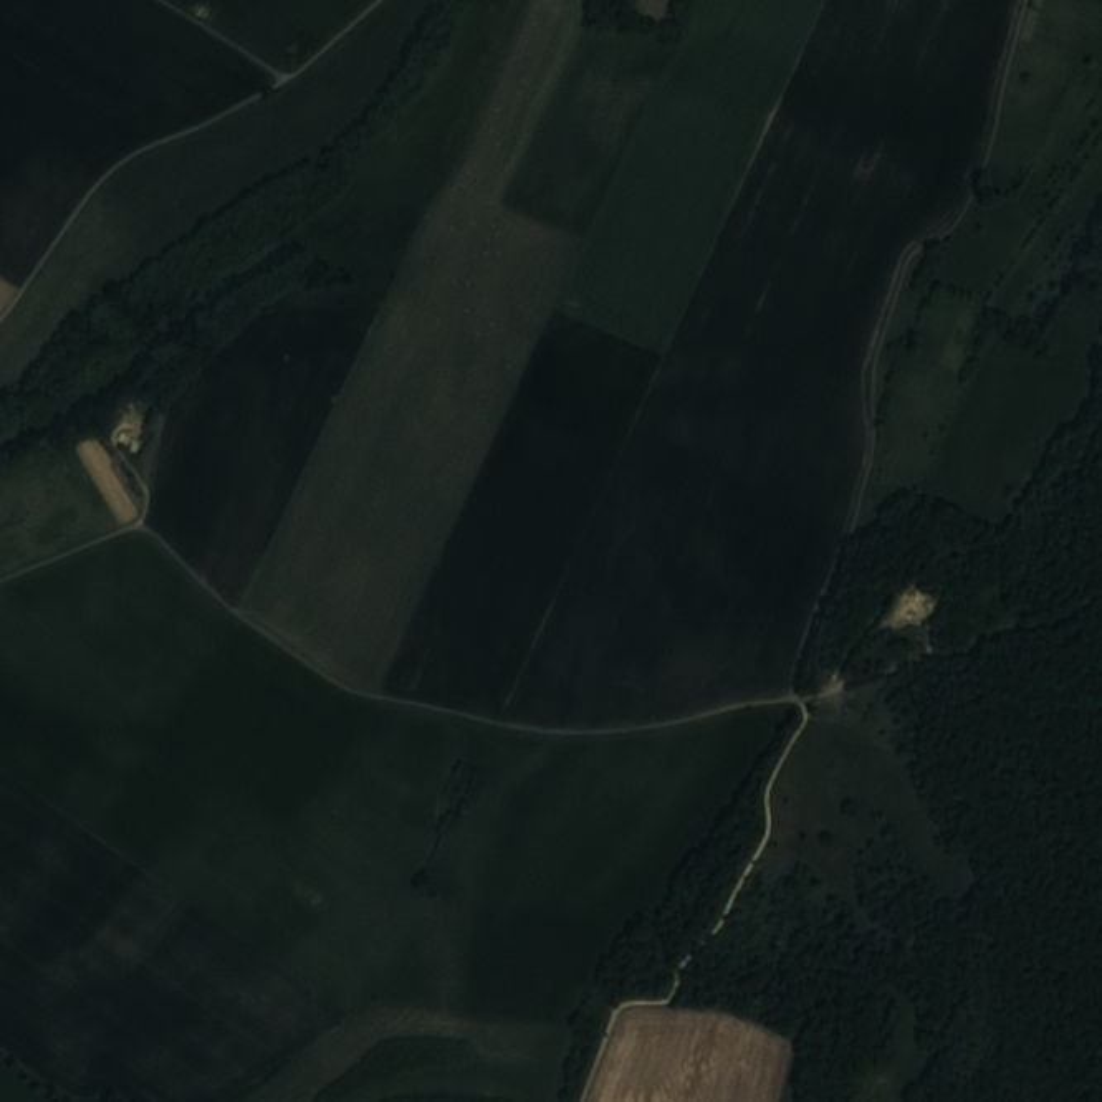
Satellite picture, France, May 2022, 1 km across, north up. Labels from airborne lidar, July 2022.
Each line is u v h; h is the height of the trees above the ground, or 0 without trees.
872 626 8
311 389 0
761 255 0
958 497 0
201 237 18
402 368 0
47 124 0
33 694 0
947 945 19
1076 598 14
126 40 0
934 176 0
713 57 0
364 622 0
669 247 0
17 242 0
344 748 0
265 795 0
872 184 0
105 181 0
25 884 0
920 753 14
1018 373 0
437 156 0
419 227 0
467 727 0
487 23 0
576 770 0
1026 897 19
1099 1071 18
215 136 0
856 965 14
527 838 0
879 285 0
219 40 0
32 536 0
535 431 0
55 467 0
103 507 0
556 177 0
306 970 0
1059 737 16
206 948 0
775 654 0
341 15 0
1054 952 16
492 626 0
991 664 17
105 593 0
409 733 0
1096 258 25
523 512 0
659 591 0
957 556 11
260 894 0
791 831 0
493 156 0
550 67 0
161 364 23
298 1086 0
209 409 0
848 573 19
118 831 0
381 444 0
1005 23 0
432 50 17
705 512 0
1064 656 18
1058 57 0
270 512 0
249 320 16
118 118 0
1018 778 15
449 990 0
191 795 0
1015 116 0
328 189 16
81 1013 0
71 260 0
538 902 0
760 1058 0
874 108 0
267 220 20
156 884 0
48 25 0
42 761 0
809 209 0
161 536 0
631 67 0
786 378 0
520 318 0
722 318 0
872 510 0
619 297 0
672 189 0
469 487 0
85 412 20
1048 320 15
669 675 0
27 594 0
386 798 0
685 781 0
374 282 0
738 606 0
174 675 0
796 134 0
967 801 15
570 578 0
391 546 0
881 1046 16
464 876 0
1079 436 14
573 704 0
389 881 0
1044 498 15
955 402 0
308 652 0
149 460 0
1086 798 20
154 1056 0
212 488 0
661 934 7
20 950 0
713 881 10
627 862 0
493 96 0
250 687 0
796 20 0
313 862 0
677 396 0
